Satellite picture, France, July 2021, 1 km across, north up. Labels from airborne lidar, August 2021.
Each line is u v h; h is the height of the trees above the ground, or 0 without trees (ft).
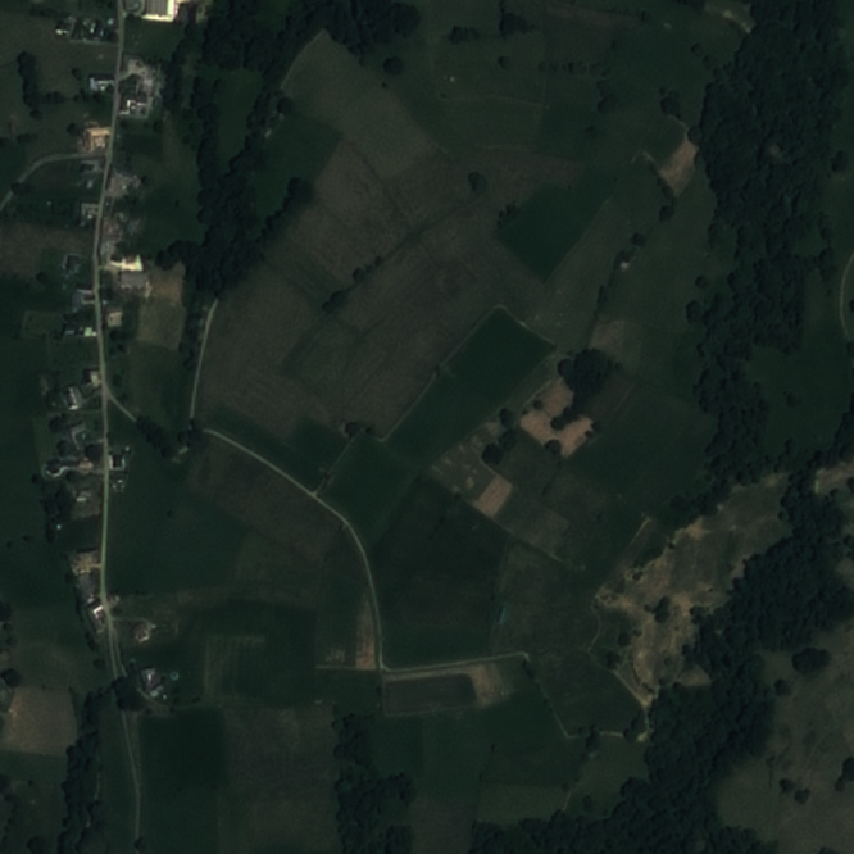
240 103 0
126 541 0
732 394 85
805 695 0
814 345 0
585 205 0
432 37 0
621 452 0
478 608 0
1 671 0
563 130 0
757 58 91
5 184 0
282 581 0
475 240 0
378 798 92
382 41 68
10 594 0
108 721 0
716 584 0
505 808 0
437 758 0
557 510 0
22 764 0
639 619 0
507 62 50
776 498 0
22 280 0
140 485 0
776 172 67
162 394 0
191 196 0
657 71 0
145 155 0
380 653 0
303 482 0
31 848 51
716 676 36
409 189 0
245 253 80
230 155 0
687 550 0
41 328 0
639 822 94
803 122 90
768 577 81
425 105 0
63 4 0
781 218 89
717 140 75
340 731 26
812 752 0
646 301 0
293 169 0
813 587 101
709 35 0
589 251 0
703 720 54
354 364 0
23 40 0
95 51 0
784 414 0
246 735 0
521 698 0
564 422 44
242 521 0
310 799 0
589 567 0
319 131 0
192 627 0
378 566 0
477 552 0
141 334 0
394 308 0
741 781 0
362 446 0
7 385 0
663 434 0
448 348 0
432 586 0
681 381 0
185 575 0
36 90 55
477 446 0
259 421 0
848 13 0
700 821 67
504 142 0
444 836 0
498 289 0
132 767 0
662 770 42
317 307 0
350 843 55
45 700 0
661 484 0
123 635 0
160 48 0
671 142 0
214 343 0
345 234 0
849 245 0
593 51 0
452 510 0
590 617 0
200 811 0
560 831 76
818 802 0
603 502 0
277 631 0
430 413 0
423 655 0
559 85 0
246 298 0
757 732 99
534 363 0
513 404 0
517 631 0
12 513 0
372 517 0
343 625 0
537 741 0
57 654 0
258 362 0
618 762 0
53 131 0
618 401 0
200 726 0
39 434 0
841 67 65
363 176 0
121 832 0
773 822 0
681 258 0
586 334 0
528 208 0
